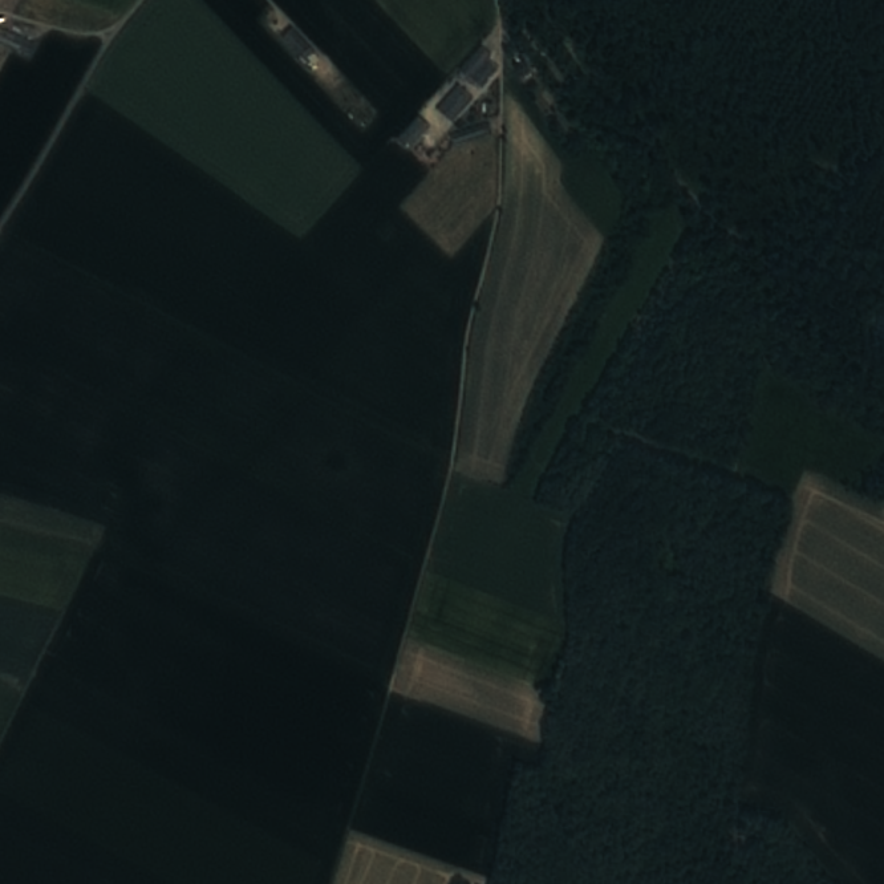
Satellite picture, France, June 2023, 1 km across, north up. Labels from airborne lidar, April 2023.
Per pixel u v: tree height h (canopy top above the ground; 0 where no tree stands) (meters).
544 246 0
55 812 0
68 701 0
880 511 0
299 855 0
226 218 0
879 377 28
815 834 0
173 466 0
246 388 0
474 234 0
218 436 0
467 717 0
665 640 18
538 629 0
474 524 0
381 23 0
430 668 0
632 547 23
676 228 0
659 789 13
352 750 0
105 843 0
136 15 0
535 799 13
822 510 0
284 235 0
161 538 0
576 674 18
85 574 0
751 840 18
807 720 0
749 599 23
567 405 0
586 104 8
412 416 0
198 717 0
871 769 0
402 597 0
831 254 32
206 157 0
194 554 0
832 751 0
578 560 14
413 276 0
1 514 0
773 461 0
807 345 21
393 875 0
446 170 0
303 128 0
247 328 0
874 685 0
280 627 0
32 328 0
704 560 23
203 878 0
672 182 11
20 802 0
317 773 0
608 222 0
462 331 0
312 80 0
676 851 16
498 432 0
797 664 0
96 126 0
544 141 0
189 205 0
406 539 0
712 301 22
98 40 0
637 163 27
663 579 22
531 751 0
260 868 0
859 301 28
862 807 0
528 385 0
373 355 0
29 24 0
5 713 0
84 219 0
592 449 9
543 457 0
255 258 0
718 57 20
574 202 0
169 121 0
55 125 0
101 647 0
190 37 0
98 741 0
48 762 0
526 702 0
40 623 0
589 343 12
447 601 0
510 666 0
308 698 0
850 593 0
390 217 0
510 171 0
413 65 0
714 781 16
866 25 31
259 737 0
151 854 0
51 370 0
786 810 0
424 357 0
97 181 0
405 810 0
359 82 0
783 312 26
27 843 0
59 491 0
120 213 0
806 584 0
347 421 0
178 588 0
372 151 0
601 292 11
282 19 0
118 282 0
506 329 0
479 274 0
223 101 0
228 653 0
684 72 15
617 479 20
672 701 17
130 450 0
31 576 0
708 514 21
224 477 0
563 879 19
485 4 0
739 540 24
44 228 0
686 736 10
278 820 0
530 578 0
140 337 0
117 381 0
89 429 0
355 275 0
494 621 0
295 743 0
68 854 0
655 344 21
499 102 0
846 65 25
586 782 12
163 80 0
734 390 18
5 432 0
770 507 25
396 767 0
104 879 0
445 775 0
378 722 0
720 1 25
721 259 15
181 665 0
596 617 16
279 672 0
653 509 23
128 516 0
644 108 7
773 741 0
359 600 0
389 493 0
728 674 14
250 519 0
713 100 18
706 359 23
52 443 0
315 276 0
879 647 0
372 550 0
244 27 0
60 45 0
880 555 0
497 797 0
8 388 0
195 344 0
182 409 0
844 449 0
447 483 0
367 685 0
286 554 0
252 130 0
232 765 0
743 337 20
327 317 0
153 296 0
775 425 0
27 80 0
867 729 0
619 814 13
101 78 0
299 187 0
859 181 35
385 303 0
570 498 14
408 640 0
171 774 0
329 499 0
